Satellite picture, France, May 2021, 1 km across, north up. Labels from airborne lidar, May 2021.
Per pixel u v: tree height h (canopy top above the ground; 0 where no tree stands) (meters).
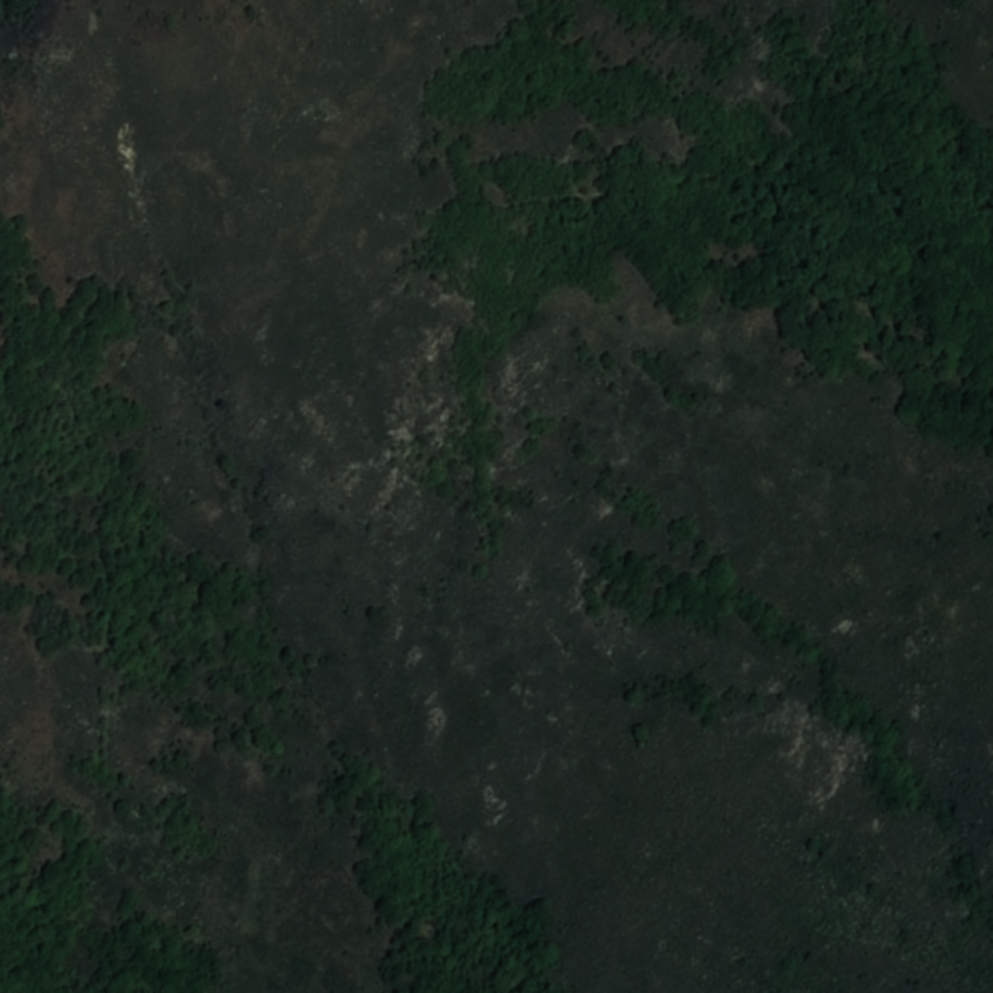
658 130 0
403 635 0
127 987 19
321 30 0
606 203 18
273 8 0
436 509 0
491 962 20
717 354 0
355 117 0
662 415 0
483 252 11
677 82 14
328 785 6
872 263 33
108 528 21
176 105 0
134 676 21
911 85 27
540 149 0
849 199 33
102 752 10
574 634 0
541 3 14
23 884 17
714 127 17
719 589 27
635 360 10
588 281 15
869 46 18
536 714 0
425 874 15
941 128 24
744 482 0
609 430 0
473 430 12
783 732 0
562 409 0
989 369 24
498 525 11
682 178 22
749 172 20
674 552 10
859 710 26
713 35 24
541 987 11
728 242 16
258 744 19
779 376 0
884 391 0
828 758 0
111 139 0
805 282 25
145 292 0
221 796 0
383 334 0
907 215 26
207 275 0
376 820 12
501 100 23
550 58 28
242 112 0
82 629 16
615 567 18
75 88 0
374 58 0
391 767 0
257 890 0
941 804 12
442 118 11
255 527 9
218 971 17
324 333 0
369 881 27
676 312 15
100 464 25
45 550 16
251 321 0
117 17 0
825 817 0
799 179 26
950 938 7
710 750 0
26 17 10
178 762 11
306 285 0
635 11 22
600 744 0
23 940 19
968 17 0
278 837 0
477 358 12
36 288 19
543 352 0
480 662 0
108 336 13
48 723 0
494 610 0
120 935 11
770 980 6
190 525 0
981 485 0
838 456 0
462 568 10
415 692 0
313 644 0
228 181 0
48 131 0
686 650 7
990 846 7
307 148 0
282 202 0
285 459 0
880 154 27
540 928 12
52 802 11
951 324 26
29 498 18
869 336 26
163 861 0
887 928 6
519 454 11
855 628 0
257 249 0
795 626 15
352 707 0
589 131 11
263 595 13
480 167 11
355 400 0
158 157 0
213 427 19
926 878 8
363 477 0
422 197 0
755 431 0
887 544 0
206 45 0
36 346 22
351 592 0
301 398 0
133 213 0
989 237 27
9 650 0
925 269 26
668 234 21
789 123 13
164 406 0
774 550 0
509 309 17
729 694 8
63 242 0
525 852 0
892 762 28
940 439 18
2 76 0
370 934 8
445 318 0
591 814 0
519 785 0
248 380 0
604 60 9
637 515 14
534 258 19
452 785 0
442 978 22
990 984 6
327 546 0
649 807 0
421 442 14
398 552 0
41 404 11
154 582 23
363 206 0
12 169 0
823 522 0
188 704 6
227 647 10
